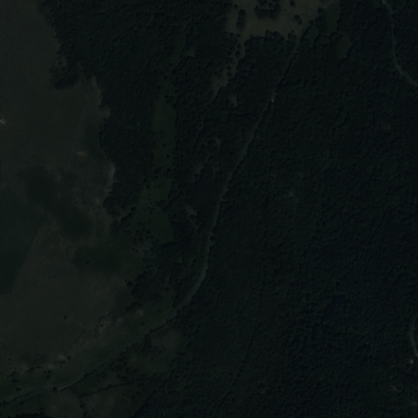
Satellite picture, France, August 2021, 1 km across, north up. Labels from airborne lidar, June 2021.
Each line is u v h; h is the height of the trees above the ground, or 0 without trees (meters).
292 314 17
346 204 20
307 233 23
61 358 0
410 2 17
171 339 0
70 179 0
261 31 0
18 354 0
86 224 0
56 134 0
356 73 20
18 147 0
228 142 18
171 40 17
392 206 19
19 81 0
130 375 10
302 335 23
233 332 26
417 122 18
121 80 21
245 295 20
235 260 26
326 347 25
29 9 0
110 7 22
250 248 27
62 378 0
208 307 15
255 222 22
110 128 16
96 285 0
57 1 8
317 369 27
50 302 0
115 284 0
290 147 15
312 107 12
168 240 0
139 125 21
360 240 24
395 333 11
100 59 18
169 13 15
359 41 17
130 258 0
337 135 18
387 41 23
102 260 0
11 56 0
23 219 0
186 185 22
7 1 0
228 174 16
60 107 0
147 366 0
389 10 12
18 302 0
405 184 18
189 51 8
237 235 24
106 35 20
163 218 0
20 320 0
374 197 20
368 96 21
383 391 24
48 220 0
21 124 0
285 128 15
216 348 26
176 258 11
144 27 21
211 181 14
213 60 14
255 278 22
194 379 12
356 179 27
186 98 14
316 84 21
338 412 13
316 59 14
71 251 0
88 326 0
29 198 0
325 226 27
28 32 0
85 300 0
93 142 0
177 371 7
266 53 22
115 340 0
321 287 19
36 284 0
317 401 15
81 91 0
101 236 0
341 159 13
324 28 20
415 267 7
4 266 0
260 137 14
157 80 22
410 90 15
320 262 20
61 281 0
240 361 23
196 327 15
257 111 16
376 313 23
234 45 8
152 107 17
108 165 0
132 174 16
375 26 12
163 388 10
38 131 0
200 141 13
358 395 22
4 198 0
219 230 22
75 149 0
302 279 21
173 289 12
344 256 30
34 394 0
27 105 0
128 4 16
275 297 27
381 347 20
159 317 0
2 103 0
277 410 11
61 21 17
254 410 17
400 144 15
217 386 24
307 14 0
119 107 20
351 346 25
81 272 0
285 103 16
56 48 0
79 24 23
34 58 0
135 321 0
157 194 0
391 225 29
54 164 0
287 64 21
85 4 22
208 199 16
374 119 16
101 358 0
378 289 24
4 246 0
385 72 20
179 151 12
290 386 14
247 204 22
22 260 0
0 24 0
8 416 0
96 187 0
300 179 25
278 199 23
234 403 30
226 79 0
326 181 24
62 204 0
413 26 17
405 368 7
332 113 15
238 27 7
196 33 12
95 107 0
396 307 26
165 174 7
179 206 18
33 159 0
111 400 0
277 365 21
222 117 17
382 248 20
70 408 0
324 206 22
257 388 25
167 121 0
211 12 8
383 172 20
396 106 17
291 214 9
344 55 0
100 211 0
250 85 19
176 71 10
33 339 0
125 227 12
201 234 12
